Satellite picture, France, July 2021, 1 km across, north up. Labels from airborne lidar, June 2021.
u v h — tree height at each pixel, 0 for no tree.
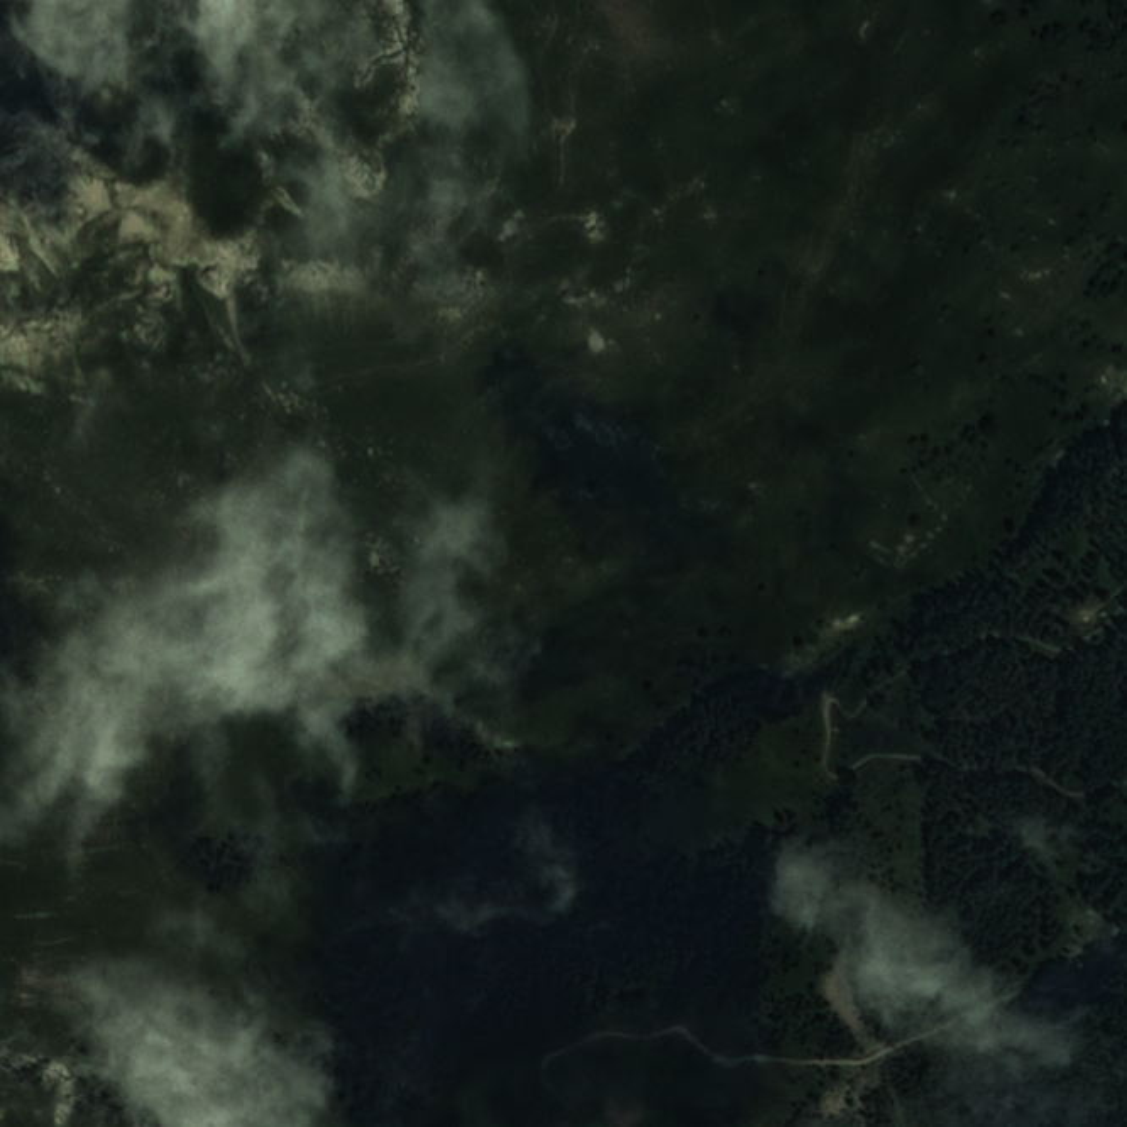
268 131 0
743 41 0
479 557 0
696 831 0
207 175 0
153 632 0
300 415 0
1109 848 19
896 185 0
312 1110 0
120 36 0
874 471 0
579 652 0
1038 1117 19
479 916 26
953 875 24
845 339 0
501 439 0
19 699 0
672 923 20
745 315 0
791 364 0
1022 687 31
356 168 0
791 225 0
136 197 0
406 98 0
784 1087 0
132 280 0
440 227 0
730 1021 0
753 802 0
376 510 0
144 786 0
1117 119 0
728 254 0
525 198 0
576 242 0
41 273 0
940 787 22
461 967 25
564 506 0
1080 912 0
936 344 0
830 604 0
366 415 0
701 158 0
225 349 0
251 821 0
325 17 0
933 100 0
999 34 0
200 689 0
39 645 0
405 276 0
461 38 0
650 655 0
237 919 0
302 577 0
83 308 0
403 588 0
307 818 0
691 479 0
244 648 0
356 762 0
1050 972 0
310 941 0
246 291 0
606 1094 0
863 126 0
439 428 0
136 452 0
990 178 7
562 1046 0
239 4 0
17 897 0
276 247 0
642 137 0
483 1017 11
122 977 0
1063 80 7
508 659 0
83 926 0
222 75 0
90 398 0
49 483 0
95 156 0
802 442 0
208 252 0
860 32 0
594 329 0
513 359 0
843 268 0
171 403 0
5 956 0
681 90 0
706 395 0
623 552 0
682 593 0
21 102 0
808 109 0
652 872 27
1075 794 0
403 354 0
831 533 0
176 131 0
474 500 0
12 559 0
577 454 0
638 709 0
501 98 0
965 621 25
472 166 0
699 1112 0
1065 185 0
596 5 0
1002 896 27
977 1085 8
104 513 0
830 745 0
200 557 0
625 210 0
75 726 0
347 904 0
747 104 0
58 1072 0
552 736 0
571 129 0
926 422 0
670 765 29
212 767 0
